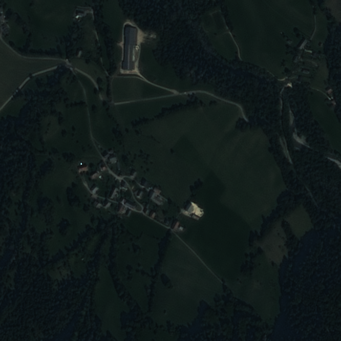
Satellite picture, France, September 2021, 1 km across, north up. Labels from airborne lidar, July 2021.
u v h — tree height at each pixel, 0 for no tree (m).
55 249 0
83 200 0
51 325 8
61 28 0
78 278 0
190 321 0
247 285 0
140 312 20
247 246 0
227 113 0
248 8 0
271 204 0
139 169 0
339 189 19
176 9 19
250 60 0
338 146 0
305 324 26
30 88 0
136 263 0
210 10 10
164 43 21
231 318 0
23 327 17
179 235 0
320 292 34
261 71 16
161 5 7
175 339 0
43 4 0
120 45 0
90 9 0
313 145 14
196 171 0
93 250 0
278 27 0
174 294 0
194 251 0
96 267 19
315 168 19
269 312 0
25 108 0
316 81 0
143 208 0
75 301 31
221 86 16
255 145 0
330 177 15
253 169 0
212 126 0
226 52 0
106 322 0
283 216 20
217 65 19
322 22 0
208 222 0
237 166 0
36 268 16
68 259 6
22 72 0
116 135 17
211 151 0
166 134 0
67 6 0
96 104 0
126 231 10
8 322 11
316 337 24
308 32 0
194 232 0
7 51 0
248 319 22
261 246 0
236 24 0
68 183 0
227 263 0
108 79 8
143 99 0
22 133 24
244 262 0
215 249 0
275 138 21
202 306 0
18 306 11
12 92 0
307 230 0
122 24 0
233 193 0
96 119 0
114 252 20
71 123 0
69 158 19
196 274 0
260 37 0
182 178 0
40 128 17
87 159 0
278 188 0
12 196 0
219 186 0
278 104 21
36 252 8
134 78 0
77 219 0
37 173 10
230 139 0
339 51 16
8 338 31
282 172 13
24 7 0
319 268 31
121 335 0
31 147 22
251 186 0
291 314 39
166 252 21
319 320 20
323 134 21
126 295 26
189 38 17
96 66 0
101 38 0
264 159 0
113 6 0
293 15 0
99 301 0
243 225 0
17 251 10
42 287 23
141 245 0
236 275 0
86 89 0
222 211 0
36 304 20
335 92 11
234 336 6
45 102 21
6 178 13
